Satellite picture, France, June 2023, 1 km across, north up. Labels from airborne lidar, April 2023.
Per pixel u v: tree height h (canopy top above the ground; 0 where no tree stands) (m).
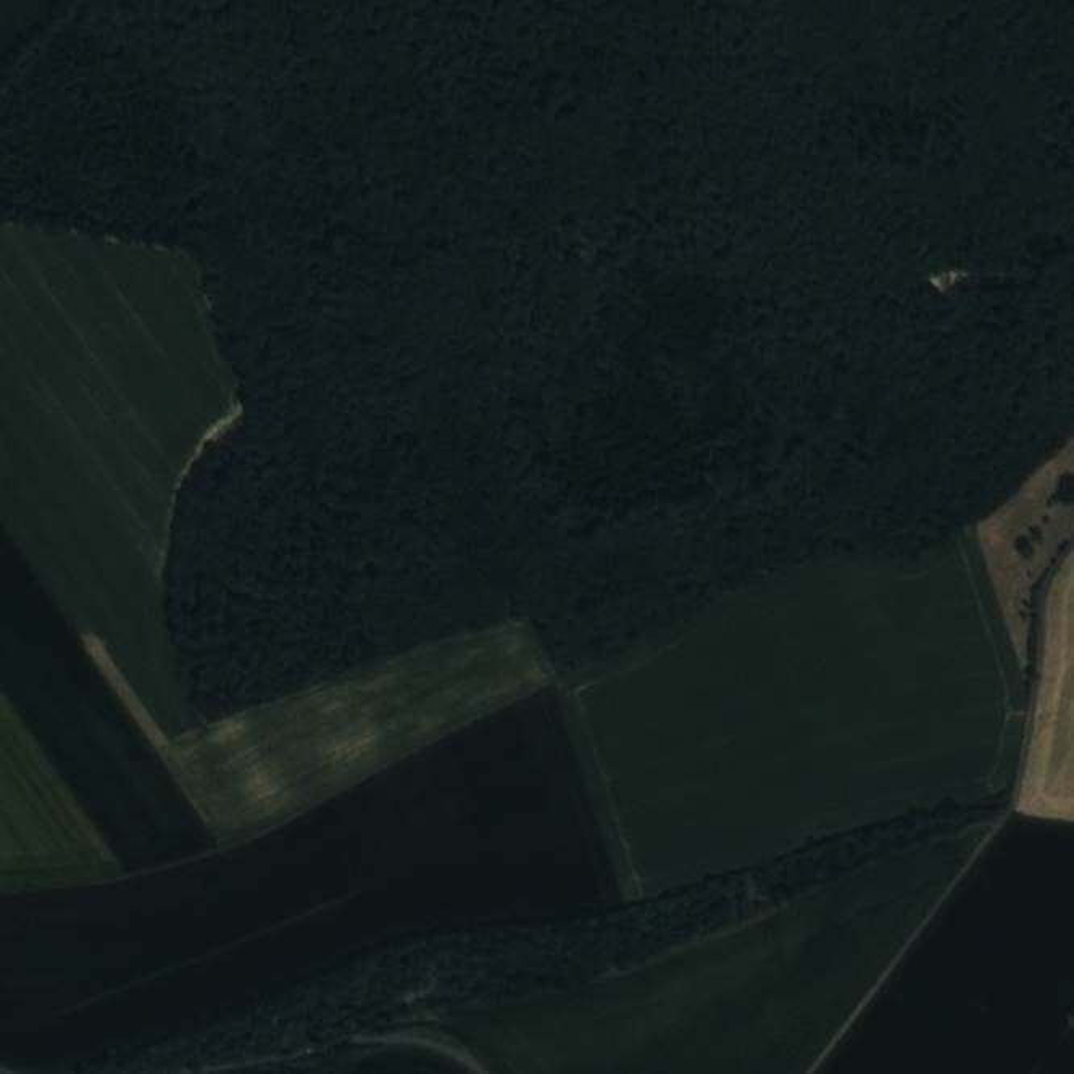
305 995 17
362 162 25
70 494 0
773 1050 0
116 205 14
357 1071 0
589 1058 0
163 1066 9
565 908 0
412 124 21
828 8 20
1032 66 24
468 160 23
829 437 20
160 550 0
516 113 18
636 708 0
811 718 0
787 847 0
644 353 24
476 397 18
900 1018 0
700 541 21
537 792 0
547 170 20
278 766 0
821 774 0
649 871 0
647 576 22
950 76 20
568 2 25
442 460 23
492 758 0
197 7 20
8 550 0
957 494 21
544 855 0
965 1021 0
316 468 22
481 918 0
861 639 0
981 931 0
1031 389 21
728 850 0
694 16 19
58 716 0
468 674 0
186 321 0
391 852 0
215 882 0
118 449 0
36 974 0
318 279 21
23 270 0
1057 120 25
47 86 9
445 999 19
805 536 18
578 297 23
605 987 0
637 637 15
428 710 0
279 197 21
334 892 0
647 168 21
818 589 0
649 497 20
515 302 23
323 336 21
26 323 0
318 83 23
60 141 12
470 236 23
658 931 8
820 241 21
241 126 26
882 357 23
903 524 19
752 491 25
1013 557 0
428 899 0
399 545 22
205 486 16
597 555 23
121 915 0
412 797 0
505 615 13
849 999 0
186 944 0
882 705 0
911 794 0
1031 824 0
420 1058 0
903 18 23
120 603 0
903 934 0
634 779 0
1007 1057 0
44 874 0
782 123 17
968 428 20
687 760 0
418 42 23
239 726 0
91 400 0
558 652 12
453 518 22
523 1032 0
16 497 0
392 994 0
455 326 23
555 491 9
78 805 0
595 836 0
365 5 23
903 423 24
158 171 12
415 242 20
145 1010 0
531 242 18
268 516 20
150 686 0
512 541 21
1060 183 22
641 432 11
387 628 20
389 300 24
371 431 15
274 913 0
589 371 22
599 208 18
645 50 22
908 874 0
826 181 17
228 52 23
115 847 0
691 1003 0
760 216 21
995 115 22
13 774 0
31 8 0
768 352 21
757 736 0
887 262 21
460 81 23
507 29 23
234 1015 14
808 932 0
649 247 18
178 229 16
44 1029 0
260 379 20
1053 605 0
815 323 14
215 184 21
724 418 17
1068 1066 0
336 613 17
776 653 0
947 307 23
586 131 20
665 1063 0
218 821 0
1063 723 0
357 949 0
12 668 0
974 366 19
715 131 21
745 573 18
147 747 0
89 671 0
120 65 12
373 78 21
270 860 0
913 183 21
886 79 22
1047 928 0
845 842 6
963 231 17
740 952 0
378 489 20
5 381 0
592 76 21
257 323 18
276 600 23
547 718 0
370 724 0
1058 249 18
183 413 0
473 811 0
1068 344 19
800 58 18
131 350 0
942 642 0
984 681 0
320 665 13
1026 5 20
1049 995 0
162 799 0
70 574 0
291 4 21
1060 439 15
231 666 20
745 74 18
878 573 0
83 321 0
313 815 0
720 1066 0
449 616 15
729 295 10
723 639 0
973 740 0
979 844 0
